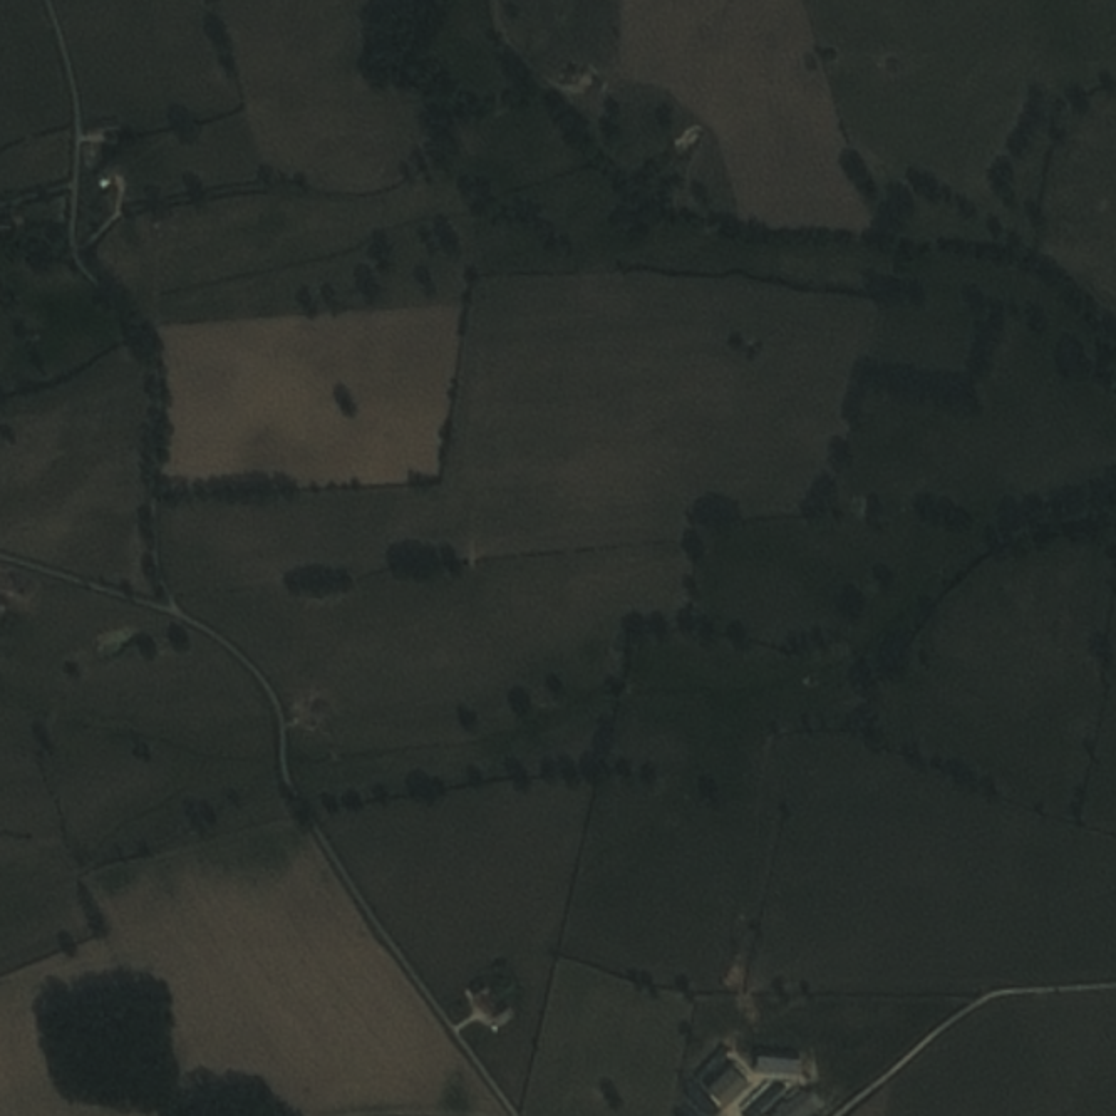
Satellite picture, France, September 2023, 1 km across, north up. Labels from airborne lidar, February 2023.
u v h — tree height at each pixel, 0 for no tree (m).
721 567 0
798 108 0
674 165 0
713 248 0
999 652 0
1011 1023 0
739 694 0
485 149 0
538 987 0
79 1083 21
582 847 0
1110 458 0
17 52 0
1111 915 0
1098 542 16
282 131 0
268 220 0
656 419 0
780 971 0
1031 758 0
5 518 0
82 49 0
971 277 0
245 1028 0
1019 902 0
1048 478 0
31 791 0
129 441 0
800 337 0
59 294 0
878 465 0
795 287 0
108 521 0
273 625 0
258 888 0
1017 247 15
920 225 0
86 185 0
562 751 0
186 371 0
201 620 0
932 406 13
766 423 0
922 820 0
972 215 15
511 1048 0
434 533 0
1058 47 0
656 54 0
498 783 0
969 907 0
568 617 0
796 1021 0
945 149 0
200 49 0
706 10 0
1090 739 0
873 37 0
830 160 0
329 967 0
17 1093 0
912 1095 0
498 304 0
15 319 0
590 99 0
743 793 0
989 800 13
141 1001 21
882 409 0
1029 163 0
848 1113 0
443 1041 0
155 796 0
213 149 0
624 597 0
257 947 0
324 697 0
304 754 0
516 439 0
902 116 0
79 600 0
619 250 0
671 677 0
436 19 28
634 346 0
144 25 0
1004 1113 0
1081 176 0
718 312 0
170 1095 18
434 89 19
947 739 0
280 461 0
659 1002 0
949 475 0
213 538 0
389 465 0
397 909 0
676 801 0
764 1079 0
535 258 0
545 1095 0
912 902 0
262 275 0
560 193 0
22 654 0
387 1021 0
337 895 0
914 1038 0
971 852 0
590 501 0
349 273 0
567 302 0
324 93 0
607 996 0
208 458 0
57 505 0
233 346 0
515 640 0
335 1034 0
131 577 0
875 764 0
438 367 0
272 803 0
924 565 0
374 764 0
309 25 0
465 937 0
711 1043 0
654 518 0
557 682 14
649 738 0
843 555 0
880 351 0
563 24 0
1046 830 0
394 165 0
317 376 0
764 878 0
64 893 0
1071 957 0
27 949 0
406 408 0
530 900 0
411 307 0
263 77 0
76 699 0
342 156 0
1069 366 22
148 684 0
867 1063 0
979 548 0
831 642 17
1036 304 0
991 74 0
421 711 0
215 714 0
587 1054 0
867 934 0
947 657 0
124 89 0
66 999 20
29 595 0
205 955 0
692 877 0
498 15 0
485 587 0
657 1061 0
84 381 0
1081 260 0
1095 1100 0
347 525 0
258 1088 16
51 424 0
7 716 0
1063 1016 0
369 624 0
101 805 0
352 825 0
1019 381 0
